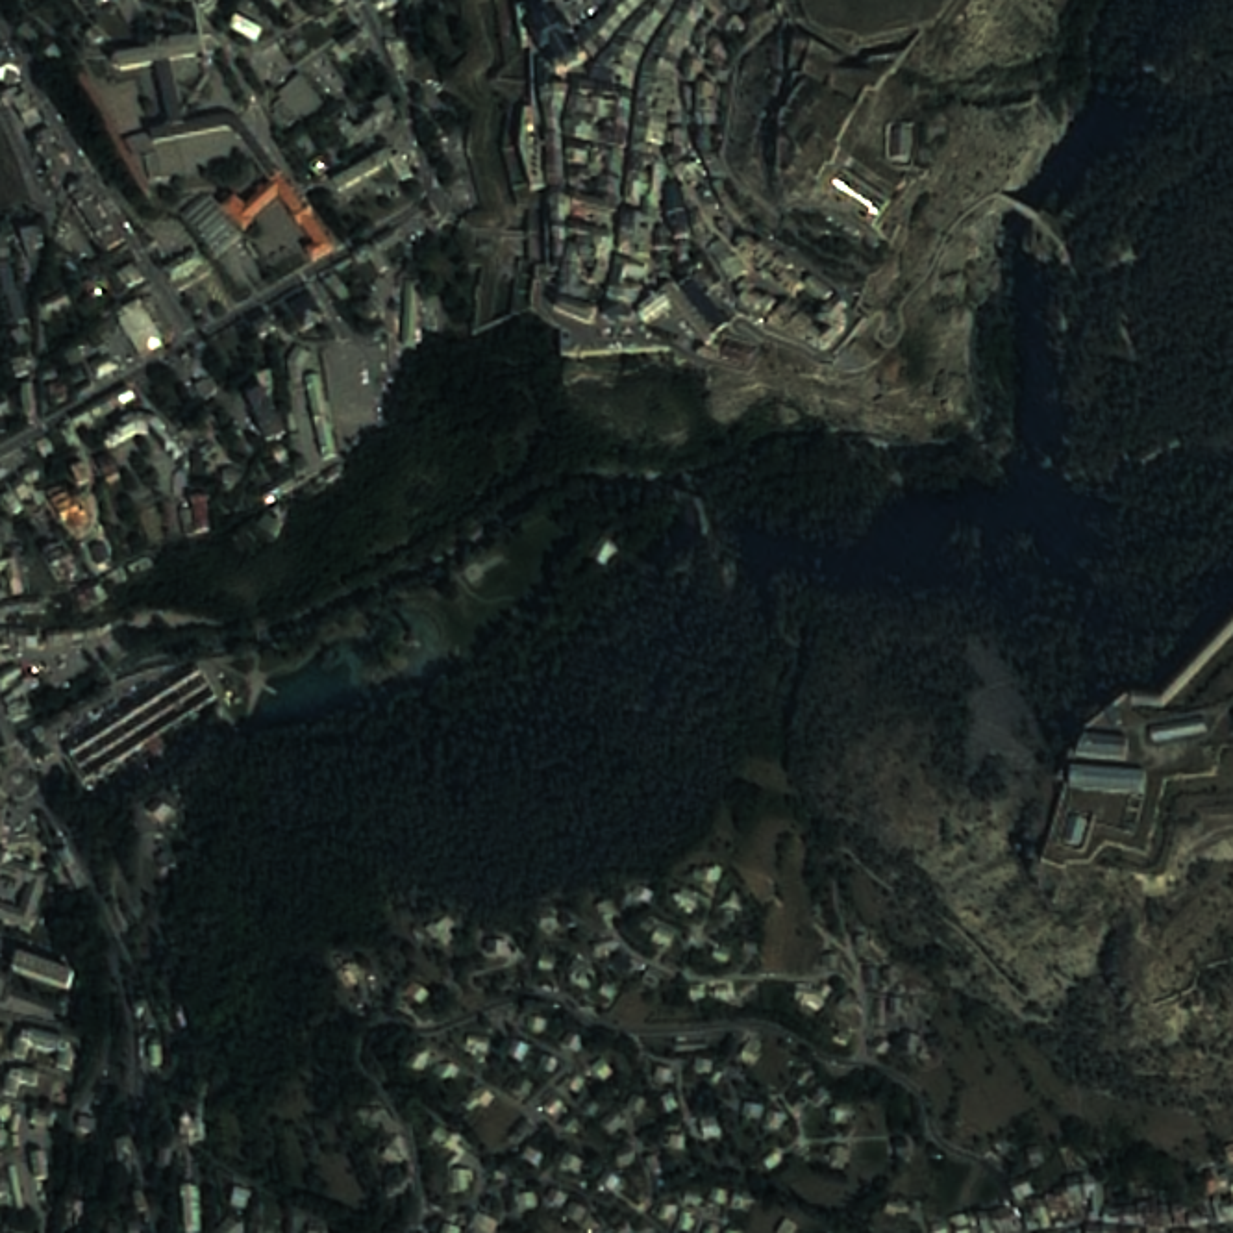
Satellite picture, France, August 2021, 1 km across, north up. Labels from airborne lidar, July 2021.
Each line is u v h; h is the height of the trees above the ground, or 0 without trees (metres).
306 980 16
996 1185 0
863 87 0
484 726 14
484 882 9
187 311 12
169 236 0
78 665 0
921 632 12
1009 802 0
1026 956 0
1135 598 15
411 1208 11
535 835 13
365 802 14
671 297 0
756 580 17
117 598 7
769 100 0
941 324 0
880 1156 0
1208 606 8
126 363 0
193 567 12
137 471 12
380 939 12
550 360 23
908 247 0
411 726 29
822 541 16
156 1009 8
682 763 11
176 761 10
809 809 9
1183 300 12
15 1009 0
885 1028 0
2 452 0
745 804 14
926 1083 0
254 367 13
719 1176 11
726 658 9
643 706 6
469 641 0
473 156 0
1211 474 8
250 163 12
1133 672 10
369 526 14
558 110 0
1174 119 17
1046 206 18
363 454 13
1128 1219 0
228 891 14
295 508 14
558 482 24
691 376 13
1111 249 7
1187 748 0
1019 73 7
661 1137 6
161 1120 14
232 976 15
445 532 18
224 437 18
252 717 0
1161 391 14
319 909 12
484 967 6
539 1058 7
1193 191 16
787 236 8
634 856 12
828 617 9
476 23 0
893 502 7
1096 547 7
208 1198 14
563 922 10
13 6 15
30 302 7
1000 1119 0
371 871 6
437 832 16
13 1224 14
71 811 24
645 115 0
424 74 0
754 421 12
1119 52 23
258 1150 13
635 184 0
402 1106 9
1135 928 0
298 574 10
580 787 18
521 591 0
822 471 27
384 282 0
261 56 0
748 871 0
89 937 19
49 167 0
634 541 21
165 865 0
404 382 16
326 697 0
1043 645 15
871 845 7
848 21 0
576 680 17
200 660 18
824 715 11
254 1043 11
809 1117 0
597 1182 7
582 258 0
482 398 29
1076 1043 9
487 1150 7
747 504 15
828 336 0
